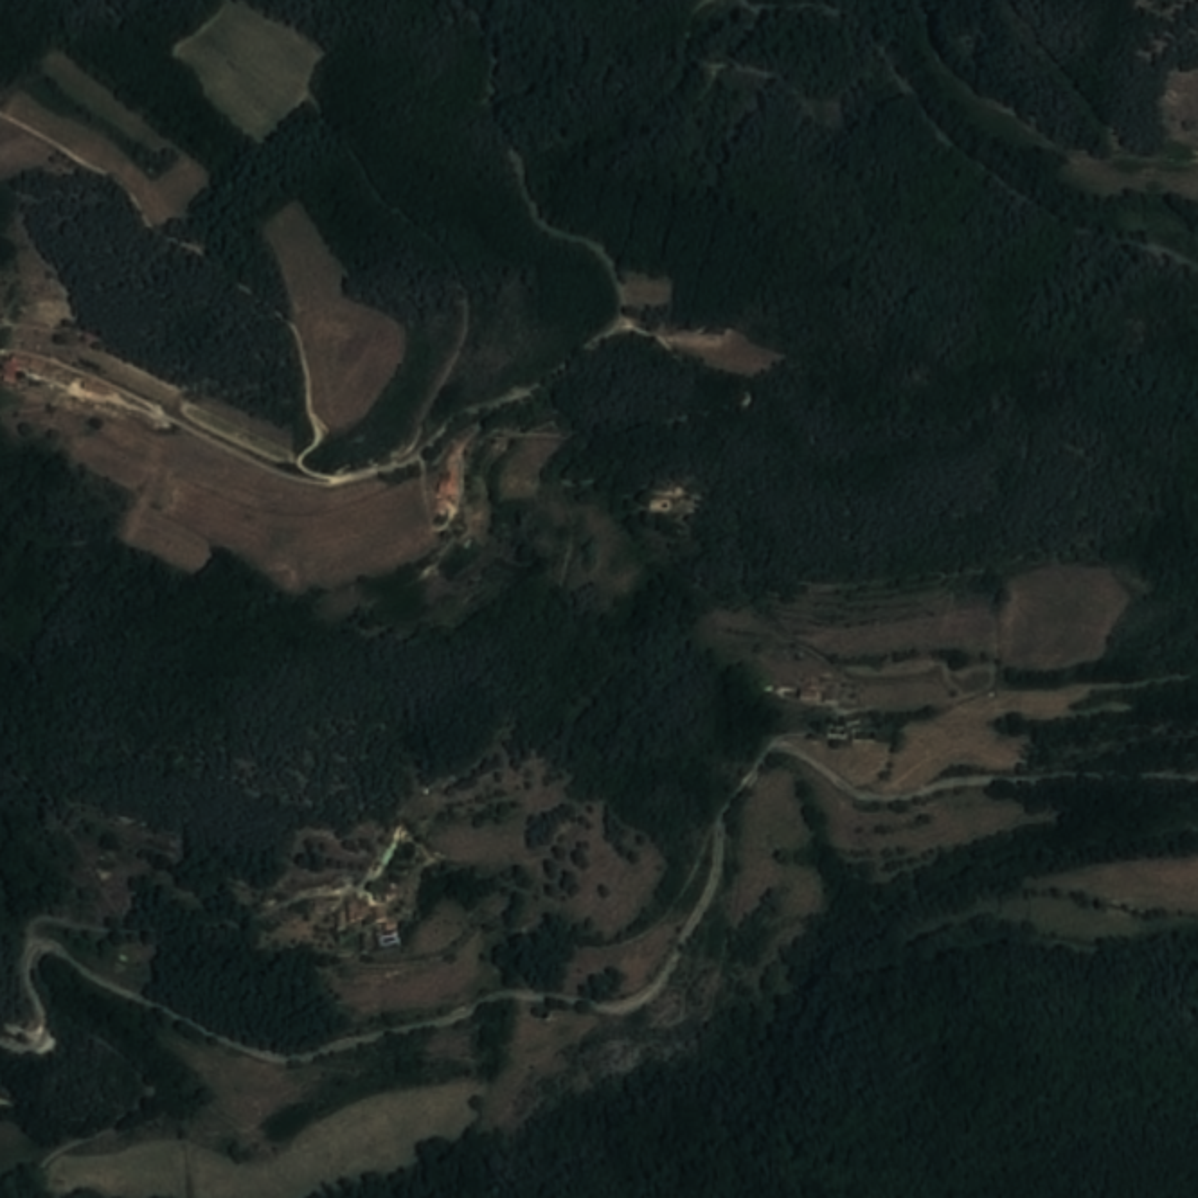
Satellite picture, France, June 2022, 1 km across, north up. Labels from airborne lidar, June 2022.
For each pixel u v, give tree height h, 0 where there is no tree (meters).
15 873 24
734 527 15
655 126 17
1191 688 10
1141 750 12
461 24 15
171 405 0
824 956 19
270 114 0
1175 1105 15
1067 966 19
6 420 0
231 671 8
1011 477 12
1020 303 15
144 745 8
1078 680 8
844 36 16
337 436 0
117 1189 0
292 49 0
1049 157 18
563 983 10
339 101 12
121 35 12
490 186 15
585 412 14
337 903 0
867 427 10
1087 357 14
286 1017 22
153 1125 12
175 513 0
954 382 8
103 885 0
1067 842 12
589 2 11
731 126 8
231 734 14
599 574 0
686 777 15
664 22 17
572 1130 20
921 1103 12
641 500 16
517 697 12
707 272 10
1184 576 12
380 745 14
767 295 11
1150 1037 16
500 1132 8
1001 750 0
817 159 18
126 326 15
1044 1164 21
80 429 0
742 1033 18
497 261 9
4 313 0
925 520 18
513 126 28
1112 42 10
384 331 0
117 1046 15
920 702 0
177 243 10
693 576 16
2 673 26
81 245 15
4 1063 10
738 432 12
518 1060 0
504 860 0
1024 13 13
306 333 0
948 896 21
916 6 33
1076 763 12
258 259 13
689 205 12
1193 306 9
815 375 6
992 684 0
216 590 13
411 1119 0
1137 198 19
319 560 0
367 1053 8
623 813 13
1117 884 0
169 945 22
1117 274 20
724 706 6
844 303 15
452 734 16
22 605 7
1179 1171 23
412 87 10
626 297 0
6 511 13
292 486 0
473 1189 16
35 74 12
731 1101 28
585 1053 8
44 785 11
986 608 0
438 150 15
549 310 9
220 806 14
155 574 14
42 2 22
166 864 13
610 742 20
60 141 0
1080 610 0
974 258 18
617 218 11
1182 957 8
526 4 25
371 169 11
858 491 17
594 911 0
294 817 12
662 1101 24
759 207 13
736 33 21
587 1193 12
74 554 8
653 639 18
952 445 14
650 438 19
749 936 13
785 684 0
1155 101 12
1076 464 9
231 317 14
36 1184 20
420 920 7
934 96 24
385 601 0
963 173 18
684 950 13
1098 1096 19
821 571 14
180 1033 16
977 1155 21
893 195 18
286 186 22
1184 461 18
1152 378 23
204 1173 0
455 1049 0
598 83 20
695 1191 28
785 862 17
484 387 0
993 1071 24
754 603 10
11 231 0
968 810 0
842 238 16
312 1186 0
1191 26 19
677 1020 0
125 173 0
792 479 15
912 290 21
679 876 8
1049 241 17
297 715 11
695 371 7
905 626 0
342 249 12
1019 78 21
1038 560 11
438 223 11
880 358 8
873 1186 26
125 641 19
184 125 12
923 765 0
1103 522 13
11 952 23
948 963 25
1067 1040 12
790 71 18
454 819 6
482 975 0
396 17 21
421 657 16
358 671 15
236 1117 0
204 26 9
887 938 18
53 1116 15
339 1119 0
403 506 0
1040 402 10
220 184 12
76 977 10
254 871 22
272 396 6
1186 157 0
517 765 13
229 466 0
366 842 9
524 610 15
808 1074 17
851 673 0
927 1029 20
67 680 12
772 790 0
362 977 0
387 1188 19
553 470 13
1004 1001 18
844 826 0
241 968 22
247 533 0
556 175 13
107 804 15
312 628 13
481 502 0
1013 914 0
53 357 0
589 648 16
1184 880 0
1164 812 14
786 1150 18
